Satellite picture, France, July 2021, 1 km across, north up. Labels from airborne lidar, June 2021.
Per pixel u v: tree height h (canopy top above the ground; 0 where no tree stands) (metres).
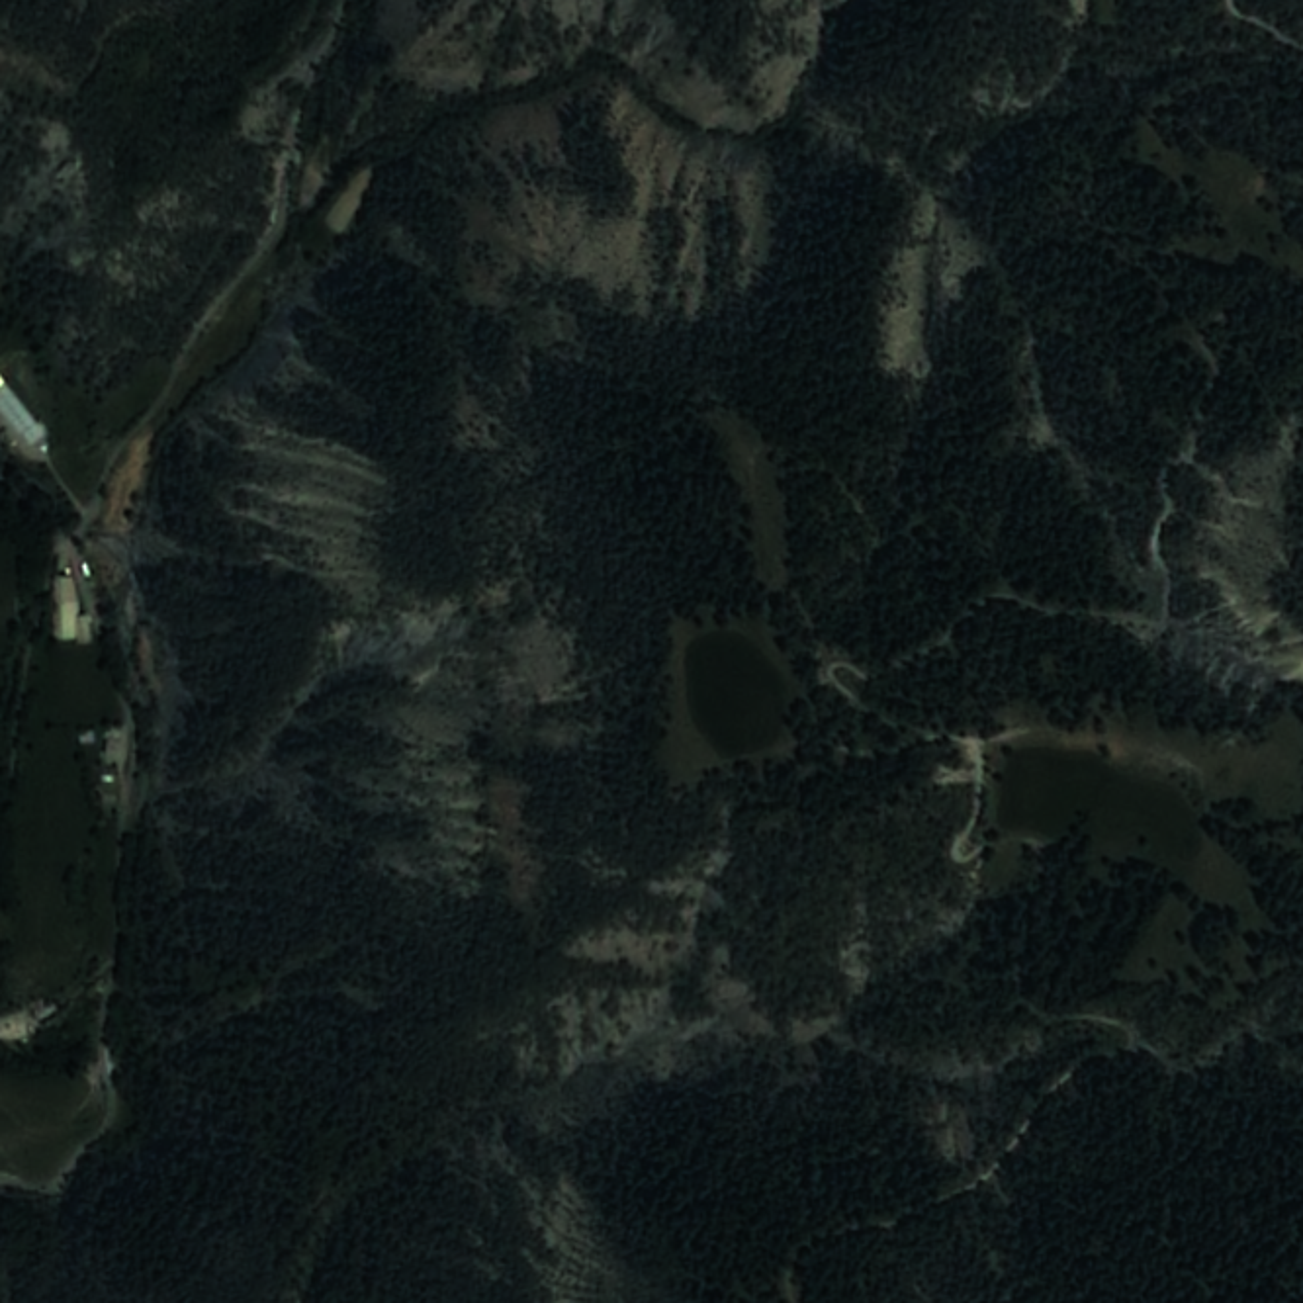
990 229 11
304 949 13
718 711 0
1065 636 13
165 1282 19
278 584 11
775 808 11
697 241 0
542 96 12
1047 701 19
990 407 17
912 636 11
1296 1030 6
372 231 14
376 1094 8
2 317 10
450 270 8
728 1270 17
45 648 13
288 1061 10
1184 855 0
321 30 9
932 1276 7
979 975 9
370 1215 9
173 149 10
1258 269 25
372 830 8
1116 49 13
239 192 9
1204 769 0
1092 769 0
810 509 7
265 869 6
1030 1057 7
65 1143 0
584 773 7
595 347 7
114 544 0
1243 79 11
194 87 14
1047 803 0
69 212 5
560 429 13
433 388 17
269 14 19
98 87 14
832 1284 18
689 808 6
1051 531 18
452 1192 11
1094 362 10
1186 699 8
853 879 6
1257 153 18
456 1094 12
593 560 7
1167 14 11
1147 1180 17
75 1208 13
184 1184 16
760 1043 9
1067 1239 23
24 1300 12
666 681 6
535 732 9
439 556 9
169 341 9
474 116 10
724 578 25
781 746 0
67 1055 14
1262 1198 25
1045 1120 16
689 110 0
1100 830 0
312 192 0
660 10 7
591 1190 9
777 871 14
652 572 11
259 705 13
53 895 0
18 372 0
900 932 9
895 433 13
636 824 8
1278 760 0
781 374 13
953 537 19
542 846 7
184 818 7
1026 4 13
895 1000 7
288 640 12
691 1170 14
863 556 10
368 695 12
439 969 11
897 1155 15
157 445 8
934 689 9
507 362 9
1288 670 0
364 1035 18
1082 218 13
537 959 9
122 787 0
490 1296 7
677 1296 6
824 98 10
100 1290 10
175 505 14
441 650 0
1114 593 11
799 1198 17
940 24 14
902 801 10
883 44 19
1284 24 10
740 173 0
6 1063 20
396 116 12
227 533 10
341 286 16
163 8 9
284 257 8
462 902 6
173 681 0
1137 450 9
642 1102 8
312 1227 11
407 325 23
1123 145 15
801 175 9
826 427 10
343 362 13
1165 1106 15
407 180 13
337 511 0
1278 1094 15
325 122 16
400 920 9
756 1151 9
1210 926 25
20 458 0
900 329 0
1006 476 9
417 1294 10
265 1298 12
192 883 8
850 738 9
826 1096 10
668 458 19
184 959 12
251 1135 18
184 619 10
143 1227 17
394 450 11
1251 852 9
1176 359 14
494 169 6
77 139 6
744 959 7
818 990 7
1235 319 19
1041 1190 13
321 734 10
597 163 9
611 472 17
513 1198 7
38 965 0
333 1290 19
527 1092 5
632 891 7
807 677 14
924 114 13
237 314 0
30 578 18
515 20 9
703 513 27
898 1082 9
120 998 15
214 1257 9
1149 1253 20
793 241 16
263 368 0
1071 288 16
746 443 0
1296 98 9
